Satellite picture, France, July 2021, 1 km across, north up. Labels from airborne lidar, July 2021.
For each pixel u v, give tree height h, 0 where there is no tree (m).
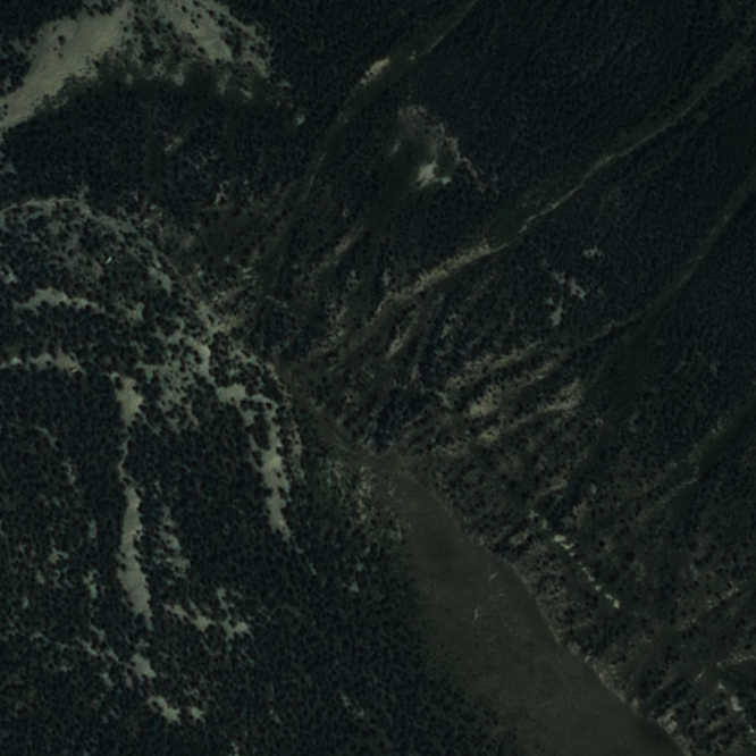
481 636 0
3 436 9
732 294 10
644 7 15
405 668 12
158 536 7
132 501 0
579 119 20
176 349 11
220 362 8
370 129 14
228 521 7
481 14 10
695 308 6
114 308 10
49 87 0
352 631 16
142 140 9
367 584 14
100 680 9
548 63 16
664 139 22
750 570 13
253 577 7
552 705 0
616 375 7
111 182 8
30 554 14
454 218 11
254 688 11
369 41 17
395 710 11
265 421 8
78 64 0
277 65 10
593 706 0
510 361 0
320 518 6
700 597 0
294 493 11
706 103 16
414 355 10
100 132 7
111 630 13
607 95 14
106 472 11
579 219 10
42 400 10
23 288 12
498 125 14
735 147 24
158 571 8
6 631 8
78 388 14
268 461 0
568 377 9
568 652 0
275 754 13
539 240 13
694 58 17
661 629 0
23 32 12
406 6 13
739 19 8
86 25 0
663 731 0
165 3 0
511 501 0
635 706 0
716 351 12
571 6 14
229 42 11
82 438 10
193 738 7
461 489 8
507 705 0
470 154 9
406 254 8
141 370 7
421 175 0
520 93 15
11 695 11
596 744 0
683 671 0
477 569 0
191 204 9
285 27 20
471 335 8
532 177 11
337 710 14
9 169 0
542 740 0
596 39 13
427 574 0
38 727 9
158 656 10
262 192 8
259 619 9
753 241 22
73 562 9
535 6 10
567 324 10
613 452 12
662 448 13
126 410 0
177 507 8
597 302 13
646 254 17
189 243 0
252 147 13
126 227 0
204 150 8
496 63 9
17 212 7
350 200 7
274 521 0
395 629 6
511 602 0
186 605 10
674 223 14
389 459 0
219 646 12
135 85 0
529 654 0
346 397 6
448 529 0
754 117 21
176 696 10
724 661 0
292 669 13
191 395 8
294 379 0
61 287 14
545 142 11
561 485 0
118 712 12
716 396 11
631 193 14
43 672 15
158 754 15
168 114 7
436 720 12
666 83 18
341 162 12
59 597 8
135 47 0
